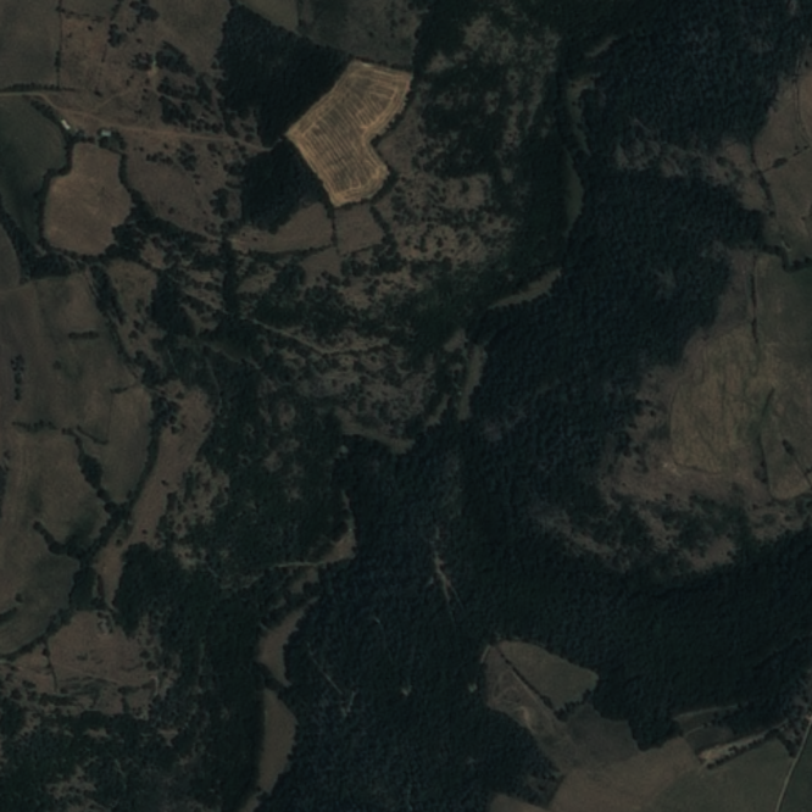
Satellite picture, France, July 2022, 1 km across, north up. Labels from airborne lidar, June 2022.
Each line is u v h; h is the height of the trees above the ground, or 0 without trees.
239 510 10
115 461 0
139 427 0
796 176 0
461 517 11
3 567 0
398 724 16
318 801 10
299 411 9
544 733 0
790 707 17
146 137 0
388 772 11
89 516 0
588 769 0
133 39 0
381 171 0
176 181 0
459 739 10
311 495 9
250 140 7
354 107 0
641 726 10
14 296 0
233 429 8
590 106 20
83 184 0
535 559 26
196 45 0
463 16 12
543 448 11
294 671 14
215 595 13
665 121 14
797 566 25
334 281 9
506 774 12
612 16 12
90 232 0
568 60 20
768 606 15
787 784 0
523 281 15
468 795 12
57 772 7
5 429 0
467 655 12
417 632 14
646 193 12
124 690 8
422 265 9
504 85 6
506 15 6
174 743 10
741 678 17
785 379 0
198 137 0
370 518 15
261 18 9
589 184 14
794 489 0
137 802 8
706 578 8
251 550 11
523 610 19
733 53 8
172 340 12
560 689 0
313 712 6
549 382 9
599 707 10
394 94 0
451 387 8
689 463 0
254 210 10
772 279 0
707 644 20
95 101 0
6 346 0
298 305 6
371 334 7
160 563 10
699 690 16
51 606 0
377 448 18
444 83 11
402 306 8
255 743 18
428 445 30
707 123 11
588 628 21
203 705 10
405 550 6
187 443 0
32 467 0
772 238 0
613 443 0
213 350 7
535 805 12
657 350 14
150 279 0
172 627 12
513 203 5
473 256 0
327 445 13
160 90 7
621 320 9
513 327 21
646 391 0
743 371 0
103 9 0
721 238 8
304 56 8
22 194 0
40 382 0
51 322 0
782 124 0
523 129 8
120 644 0
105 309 13
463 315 9
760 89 8
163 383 8
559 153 15
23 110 0
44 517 0
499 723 9
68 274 9
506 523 15
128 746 8
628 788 0
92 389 0
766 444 0
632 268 16
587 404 11
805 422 0
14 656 7
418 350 9
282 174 11
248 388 10
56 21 0
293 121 11
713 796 0
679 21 14
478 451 15
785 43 10
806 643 13
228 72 8
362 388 7
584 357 8
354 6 0
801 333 0
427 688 15
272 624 28
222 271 6
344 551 0
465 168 8
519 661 0
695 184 12
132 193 7
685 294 9
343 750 7
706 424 0
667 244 12
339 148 0
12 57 0
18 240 8
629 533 7
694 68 10
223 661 10
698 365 0
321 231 0
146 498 0
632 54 28
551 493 13
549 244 12
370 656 21
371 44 0
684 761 0
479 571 16
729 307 0
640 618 17
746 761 0
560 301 12
